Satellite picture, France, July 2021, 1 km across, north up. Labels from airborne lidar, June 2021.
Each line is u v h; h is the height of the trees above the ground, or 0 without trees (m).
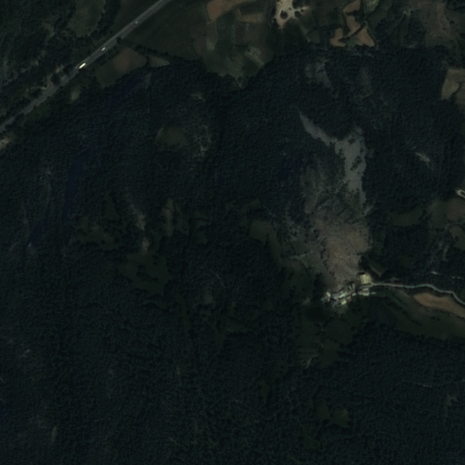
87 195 18
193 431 13
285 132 9
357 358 32
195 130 9
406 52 13
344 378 26
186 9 0
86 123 8
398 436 18
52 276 10
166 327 32
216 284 9
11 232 8
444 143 9
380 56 11
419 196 12
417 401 22
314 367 7
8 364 8
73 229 8
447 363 22
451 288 9
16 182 6
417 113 9
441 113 16
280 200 11
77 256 9
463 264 21
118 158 6
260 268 18
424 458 29
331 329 0
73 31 8
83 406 29
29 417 9
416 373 28
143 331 27
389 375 26
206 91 14
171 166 18
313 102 11
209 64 0
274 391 18
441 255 9
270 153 11
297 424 10
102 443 10
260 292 11
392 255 11
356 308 6
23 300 12
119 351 27
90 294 20
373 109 7
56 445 9
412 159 13
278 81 12
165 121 6
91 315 24
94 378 22
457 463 7
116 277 9
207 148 6
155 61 0
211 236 13
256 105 9
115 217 0
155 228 21
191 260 26
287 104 11
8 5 13
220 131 14
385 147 11
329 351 0
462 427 16
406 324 0
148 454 18
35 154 13
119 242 24
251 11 0
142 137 9
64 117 10
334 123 11
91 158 11
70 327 15
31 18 13
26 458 18
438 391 28
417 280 11
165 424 21
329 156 6
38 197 9
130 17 0
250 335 11
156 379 33
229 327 7
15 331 14
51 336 12
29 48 10
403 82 13
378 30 10
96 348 21
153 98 10
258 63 0
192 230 10
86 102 9
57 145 9
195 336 25
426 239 16
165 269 0
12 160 9
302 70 6
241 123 8
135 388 16
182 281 14
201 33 0
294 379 22
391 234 20
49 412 14
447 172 13
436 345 18
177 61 12
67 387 20
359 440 34
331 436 23
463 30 0
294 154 9
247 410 22
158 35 0
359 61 11
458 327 0
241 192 9
